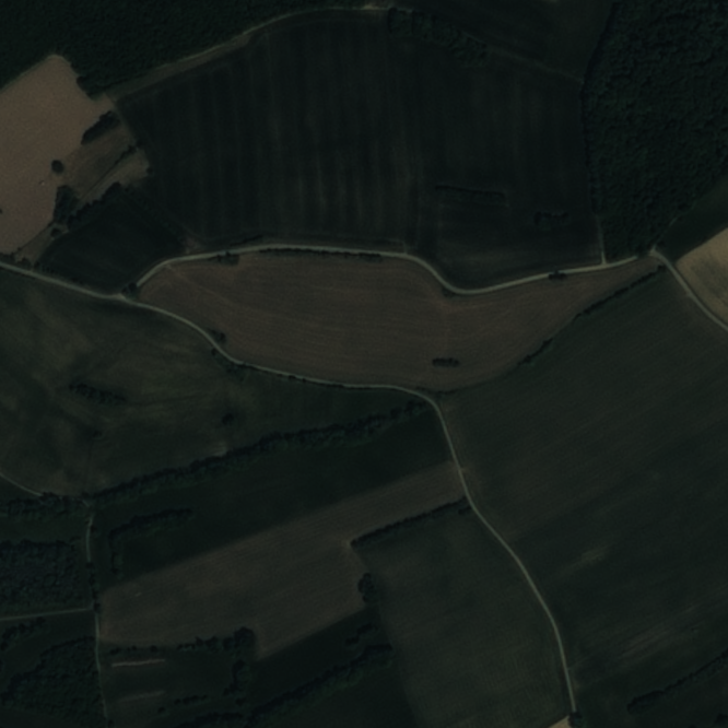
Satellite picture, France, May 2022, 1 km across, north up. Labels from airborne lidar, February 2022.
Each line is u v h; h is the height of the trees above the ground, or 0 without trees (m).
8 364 0
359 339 0
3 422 0
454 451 0
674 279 0
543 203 0
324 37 0
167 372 0
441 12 0
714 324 0
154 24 21
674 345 0
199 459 0
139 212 0
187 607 0
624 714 0
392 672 0
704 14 31
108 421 0
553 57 0
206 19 18
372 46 0
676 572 0
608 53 16
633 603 0
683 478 0
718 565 0
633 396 0
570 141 0
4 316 0
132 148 8
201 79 0
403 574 0
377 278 0
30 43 12
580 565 0
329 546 0
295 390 0
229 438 0
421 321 0
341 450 0
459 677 0
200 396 0
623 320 0
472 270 0
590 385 0
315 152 0
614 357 0
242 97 0
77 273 0
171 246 0
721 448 0
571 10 0
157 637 0
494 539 0
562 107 0
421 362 0
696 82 30
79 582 16
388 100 0
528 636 0
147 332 0
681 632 0
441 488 0
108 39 19
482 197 10
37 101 0
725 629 0
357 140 0
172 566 0
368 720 0
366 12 0
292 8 13
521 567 0
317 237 0
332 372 0
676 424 0
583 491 0
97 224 0
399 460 0
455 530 0
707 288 0
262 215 0
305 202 0
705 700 0
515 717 0
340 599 0
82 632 0
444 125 0
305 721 0
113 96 0
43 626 15
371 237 0
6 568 24
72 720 7
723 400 0
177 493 0
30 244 0
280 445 20
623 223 7
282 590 0
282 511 0
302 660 0
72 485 0
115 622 0
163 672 0
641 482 0
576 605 0
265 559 0
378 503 0
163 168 0
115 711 0
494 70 0
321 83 0
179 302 0
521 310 0
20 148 0
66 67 0
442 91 0
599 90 23
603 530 0
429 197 0
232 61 0
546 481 0
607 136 22
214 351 8
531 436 0
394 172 0
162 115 0
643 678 0
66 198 12
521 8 0
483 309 0
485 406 0
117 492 13
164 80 0
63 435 0
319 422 0
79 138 0
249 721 9
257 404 0
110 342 0
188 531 0
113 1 19
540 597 0
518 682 0
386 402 0
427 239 0
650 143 22
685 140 26
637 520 0
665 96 27
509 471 0
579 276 0
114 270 0
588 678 0
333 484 0
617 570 0
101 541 0
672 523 0
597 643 0
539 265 0
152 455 0
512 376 0
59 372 0
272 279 0
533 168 0
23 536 0
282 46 0
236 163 0
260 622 0
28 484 0
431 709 0
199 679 0
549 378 0
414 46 0
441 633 0
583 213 0
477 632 0
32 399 0
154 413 0
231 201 0
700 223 0
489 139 0
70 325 0
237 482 0
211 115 0
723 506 0
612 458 0
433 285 0
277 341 0
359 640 7
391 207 0
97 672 10
